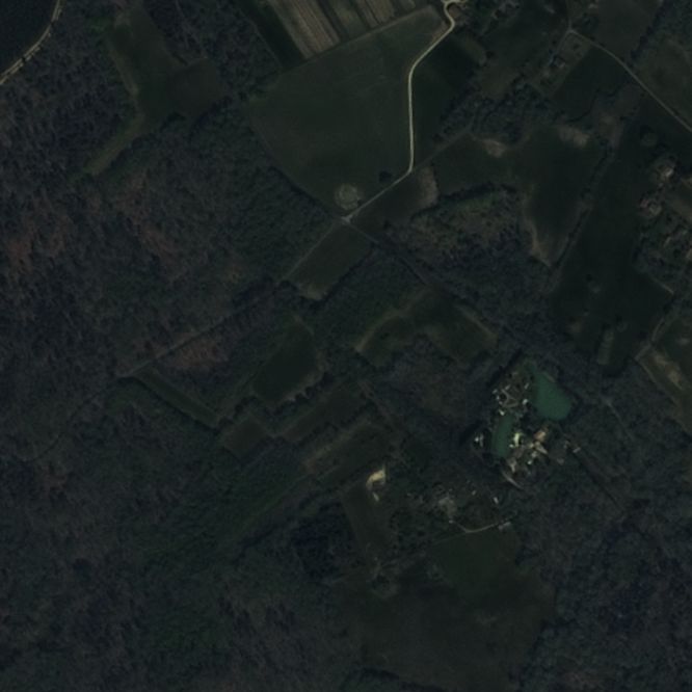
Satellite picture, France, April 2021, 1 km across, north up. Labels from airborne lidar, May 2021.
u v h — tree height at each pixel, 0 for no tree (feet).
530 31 0
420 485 21
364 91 0
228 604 54
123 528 41
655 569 27
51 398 43
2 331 59
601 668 37
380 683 69
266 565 52
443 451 48
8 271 52
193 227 42
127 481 42
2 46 44
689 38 71
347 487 39
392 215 0
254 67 42
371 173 0
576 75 0
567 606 66
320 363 0
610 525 47
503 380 32
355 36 0
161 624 51
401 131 0
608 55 0
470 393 25
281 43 0
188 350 39
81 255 48
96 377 69
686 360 0
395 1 0
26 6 41
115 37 0
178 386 52
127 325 72
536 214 0
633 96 0
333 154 0
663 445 28
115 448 62
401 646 0
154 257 39
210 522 58
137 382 42
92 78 50
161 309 36
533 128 31
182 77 0
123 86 49
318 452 34
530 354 49
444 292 0
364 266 38
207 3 55
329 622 58
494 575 0
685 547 61
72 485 39
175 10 55
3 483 81
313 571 20
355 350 34
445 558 0
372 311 56
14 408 51
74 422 49
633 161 0
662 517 60
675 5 68
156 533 52
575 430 67
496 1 26
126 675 69
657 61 0
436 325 0
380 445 0
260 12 0
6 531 64
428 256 28
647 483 51
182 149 56
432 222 31
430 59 0
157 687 87
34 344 45
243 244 39
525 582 0
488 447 38
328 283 0
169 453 35
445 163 0
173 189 55
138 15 0
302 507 20
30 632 77
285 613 74
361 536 0
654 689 71
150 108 0
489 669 0
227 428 62
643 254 52
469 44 0
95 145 54
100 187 69
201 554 51
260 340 46
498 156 0
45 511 48
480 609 0
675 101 0
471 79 28
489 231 21
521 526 36
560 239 0
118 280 59
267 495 63
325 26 0
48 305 57
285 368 0
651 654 48
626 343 0
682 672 60
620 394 69
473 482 25
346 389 37
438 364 19
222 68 31
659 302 0
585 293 0
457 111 61
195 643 34
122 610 27
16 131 46
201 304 48
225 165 58
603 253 0
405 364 71
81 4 33
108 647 73
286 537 53
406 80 0
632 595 39
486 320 43
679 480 58
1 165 25
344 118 0
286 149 0
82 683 50
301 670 54
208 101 0
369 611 0
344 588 0
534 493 62
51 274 51
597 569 67
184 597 50
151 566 33
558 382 37
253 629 57
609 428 65
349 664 65
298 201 65
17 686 41
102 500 35
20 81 23
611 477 53
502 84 0
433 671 0
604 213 0
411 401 22
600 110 0
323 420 0
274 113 0
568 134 0
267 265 35
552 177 0
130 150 0
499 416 27
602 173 27
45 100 26
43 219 35
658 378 0
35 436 46
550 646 60
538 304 71
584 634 64
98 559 39
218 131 75
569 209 0
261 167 50
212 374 21
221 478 51
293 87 0
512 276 86
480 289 64
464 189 0
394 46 0
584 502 24
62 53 32
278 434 46
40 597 59
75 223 54
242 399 0
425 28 0
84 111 72
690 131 0
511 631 0
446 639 0
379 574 0
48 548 56
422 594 0
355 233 0
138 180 34
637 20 0
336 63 0
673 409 59
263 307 37
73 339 42
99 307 39
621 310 0
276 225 68
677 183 21
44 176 75
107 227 30
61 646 64
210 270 51
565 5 0
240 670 42
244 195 66
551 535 45
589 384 71
